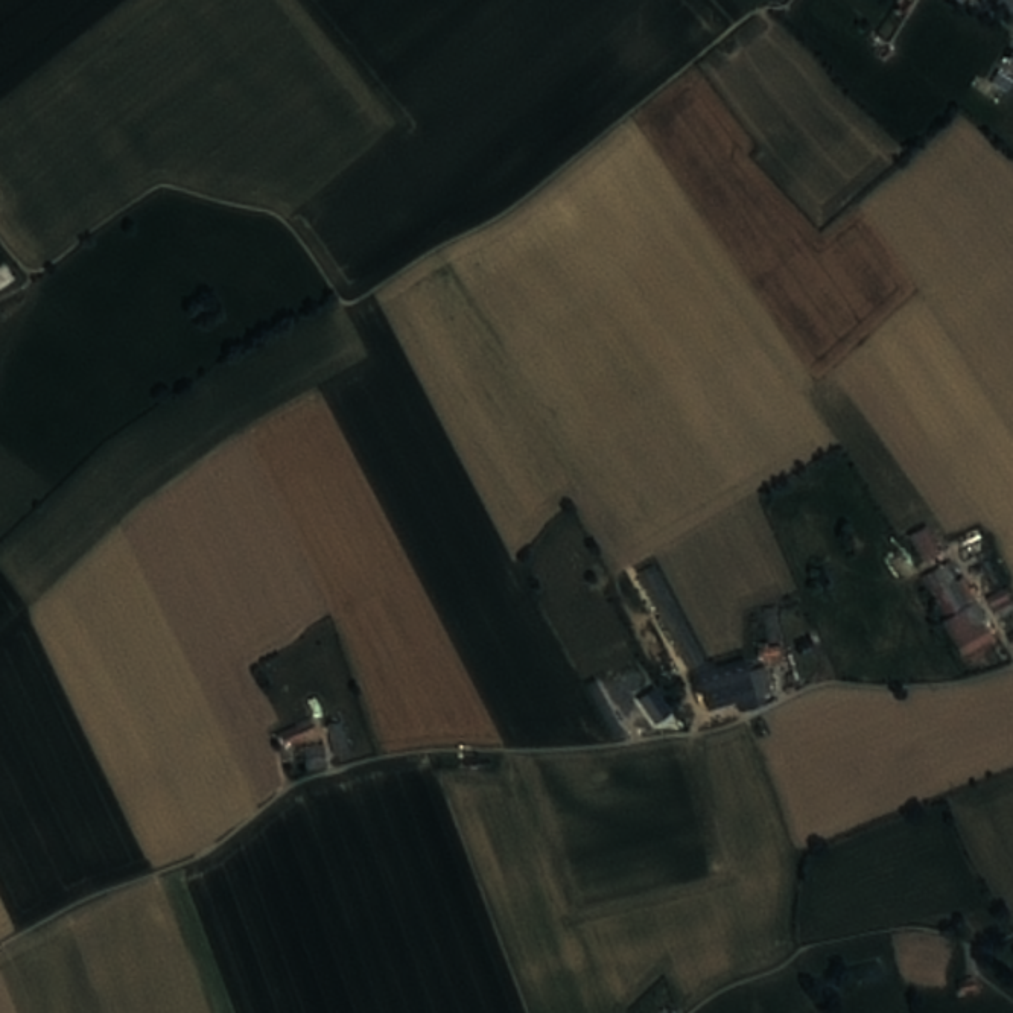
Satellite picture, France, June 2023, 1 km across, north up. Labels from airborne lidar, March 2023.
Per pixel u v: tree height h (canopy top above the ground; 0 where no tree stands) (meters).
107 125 0
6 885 0
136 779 0
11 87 0
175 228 0
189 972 0
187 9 0
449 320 0
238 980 0
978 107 0
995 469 0
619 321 0
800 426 0
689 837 0
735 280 0
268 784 0
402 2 0
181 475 0
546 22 0
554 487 0
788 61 0
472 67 0
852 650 0
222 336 0
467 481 0
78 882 0
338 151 0
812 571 9
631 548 0
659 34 0
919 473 0
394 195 0
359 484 0
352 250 0
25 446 0
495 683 0
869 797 0
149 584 0
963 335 0
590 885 0
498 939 0
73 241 0
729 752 0
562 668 0
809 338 0
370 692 0
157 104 0
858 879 0
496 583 0
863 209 0
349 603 0
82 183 0
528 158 0
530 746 0
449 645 0
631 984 0
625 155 0
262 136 0
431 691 0
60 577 0
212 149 0
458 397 0
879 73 0
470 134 0
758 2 0
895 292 0
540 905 0
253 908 0
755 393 0
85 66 0
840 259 0
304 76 0
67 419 0
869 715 0
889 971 0
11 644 0
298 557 0
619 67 0
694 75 0
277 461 0
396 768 0
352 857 0
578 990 0
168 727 0
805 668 0
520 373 0
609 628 0
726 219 0
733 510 0
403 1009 0
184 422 0
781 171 0
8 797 0
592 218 0
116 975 0
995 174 0
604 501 0
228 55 0
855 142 0
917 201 0
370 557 0
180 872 0
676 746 0
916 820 11
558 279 0
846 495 0
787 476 12
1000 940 25
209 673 0
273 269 0
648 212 0
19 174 0
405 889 0
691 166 0
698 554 0
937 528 0
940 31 0
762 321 0
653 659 0
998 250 0
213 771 0
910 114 0
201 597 0
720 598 0
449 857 0
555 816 0
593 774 0
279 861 0
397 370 0
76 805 0
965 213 0
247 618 0
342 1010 0
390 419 0
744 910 0
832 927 0
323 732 0
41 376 0
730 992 0
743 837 0
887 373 0
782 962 0
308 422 0
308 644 0
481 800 0
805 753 0
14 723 0
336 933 0
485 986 0
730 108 0
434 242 0
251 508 0
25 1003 0
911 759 0
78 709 0
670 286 0
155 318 0
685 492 0
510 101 0
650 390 0
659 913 0
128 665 0
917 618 0
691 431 0
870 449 0
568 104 0
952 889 0
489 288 0
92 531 0
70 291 0
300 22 0
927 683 0
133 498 0
